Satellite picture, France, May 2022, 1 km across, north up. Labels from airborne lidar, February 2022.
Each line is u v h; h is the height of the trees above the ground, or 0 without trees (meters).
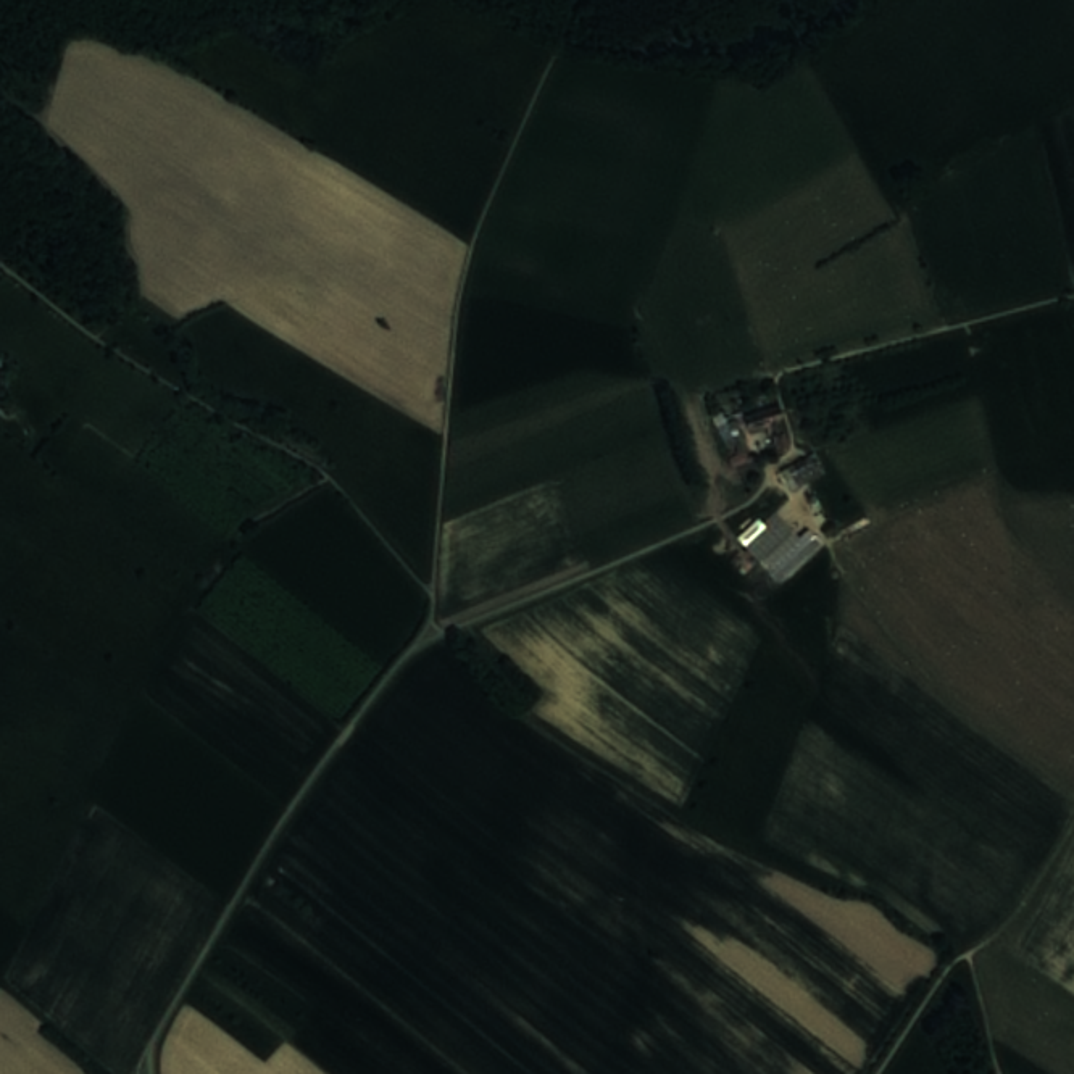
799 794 0
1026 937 0
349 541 0
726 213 0
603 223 0
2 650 0
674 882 0
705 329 0
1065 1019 0
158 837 0
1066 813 0
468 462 0
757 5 0
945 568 0
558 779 0
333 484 0
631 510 0
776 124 0
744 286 0
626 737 0
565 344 0
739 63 22
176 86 0
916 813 0
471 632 0
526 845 0
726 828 0
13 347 0
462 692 0
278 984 0
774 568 0
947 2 0
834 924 0
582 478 0
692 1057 0
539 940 0
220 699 0
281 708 0
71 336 0
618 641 0
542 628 0
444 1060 0
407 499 0
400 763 0
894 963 0
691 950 0
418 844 0
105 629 0
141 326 0
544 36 17
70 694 0
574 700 0
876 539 0
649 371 0
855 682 0
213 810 0
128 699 0
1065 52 0
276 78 0
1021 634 0
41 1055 0
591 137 0
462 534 0
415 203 0
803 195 0
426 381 0
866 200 0
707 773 0
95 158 0
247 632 5
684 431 20
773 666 0
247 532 14
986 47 0
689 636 0
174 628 0
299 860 0
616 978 0
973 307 0
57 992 0
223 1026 0
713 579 0
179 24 17
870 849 0
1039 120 0
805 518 0
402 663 0
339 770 0
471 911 0
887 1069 0
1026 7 0
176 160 0
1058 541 0
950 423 0
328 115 0
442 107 0
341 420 0
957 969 0
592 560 0
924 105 0
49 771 0
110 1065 0
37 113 0
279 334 0
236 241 0
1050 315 0
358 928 0
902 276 0
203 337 0
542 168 0
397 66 0
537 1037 0
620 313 0
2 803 0
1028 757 0
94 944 0
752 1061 0
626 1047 0
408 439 0
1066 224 0
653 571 0
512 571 0
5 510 0
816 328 0
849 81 0
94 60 0
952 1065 12
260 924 0
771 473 0
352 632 0
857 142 0
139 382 0
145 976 0
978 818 0
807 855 0
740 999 0
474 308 0
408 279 0
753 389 0
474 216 0
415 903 0
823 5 26
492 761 0
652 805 0
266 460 6
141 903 0
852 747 0
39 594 0
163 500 0
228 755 0
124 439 0
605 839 0
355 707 6
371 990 0
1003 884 0
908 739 0
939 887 0
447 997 0
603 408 0
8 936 0
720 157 0
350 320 0
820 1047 0
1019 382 0
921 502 0
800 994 0
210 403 10
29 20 20
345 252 0
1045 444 0
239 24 19
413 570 0
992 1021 0
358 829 0
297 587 0
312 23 26
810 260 0
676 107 0
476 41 0
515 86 0
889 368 0
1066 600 0
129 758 0
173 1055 0
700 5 16
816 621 0
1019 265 0
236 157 0
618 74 0
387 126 0
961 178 0
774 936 0
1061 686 0
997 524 0
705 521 0
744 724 0
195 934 0
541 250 0
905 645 0
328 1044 0
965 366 0
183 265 0
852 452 0
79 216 25
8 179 23
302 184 0
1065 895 0
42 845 0
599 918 0
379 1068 0
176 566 0
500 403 0
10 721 0
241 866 0
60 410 0
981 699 0
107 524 0
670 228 0
